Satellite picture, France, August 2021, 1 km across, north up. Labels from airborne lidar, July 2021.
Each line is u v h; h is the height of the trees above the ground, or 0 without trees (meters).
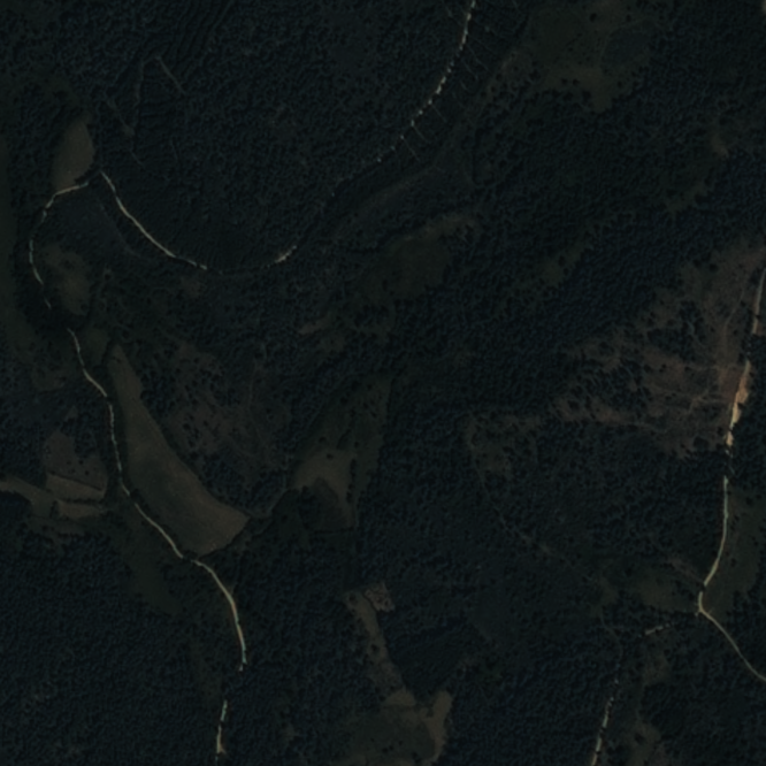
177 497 0
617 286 14
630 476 15
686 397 0
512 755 13
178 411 0
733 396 0
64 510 0
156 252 15
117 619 17
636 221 8
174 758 18
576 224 21
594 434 0
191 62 14
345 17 0
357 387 20
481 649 19
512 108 14
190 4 12
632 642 8
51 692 18
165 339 5
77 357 7
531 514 9
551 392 7
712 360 0
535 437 14
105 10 16
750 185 15
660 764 0
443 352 18
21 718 15
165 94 16
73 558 15
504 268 17
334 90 10
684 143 10
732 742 7
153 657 18
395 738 0
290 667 16
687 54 15
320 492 0
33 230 8
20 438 9
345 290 8
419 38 16
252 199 13
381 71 9
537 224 12
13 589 17
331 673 16
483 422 7
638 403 12
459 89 18
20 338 0
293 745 12
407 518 11
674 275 15
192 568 6
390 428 6
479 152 15
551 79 0
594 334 10
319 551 14
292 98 15
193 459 12
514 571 8
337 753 6
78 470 0
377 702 9
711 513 15
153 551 0
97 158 9
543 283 11
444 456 6
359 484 0
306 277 12
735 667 12
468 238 8
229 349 11
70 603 18
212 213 15
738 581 0
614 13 0
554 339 15
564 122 10
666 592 0
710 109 12
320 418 7
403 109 12
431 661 17
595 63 0
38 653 17
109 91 15
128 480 7
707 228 15
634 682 9
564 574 0
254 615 10
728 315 0
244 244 17
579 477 8
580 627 0
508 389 9
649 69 7
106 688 15
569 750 12
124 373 0
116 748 17
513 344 7
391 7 13
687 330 10
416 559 8
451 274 15
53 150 11
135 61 16
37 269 6
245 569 10
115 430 8
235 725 14
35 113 10
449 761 15
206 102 11
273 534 12
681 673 10
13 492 0
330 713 15
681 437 0
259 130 16
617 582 0
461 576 14
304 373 7
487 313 21
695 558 0
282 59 16
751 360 11
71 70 14
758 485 9
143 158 13
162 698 18
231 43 16
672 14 10
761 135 8
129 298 6
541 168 9
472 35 18
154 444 0
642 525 17
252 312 12
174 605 0
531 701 14
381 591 0
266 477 9
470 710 17
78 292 0
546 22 0
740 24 13
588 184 10
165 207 16
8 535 15
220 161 18
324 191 8
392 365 12
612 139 10
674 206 0
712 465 18
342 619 17
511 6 18
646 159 11
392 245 8
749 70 10
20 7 0
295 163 17
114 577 16
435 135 14
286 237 17
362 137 14
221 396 10
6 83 0
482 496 12
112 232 0
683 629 15
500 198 8
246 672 15
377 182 18
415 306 8
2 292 0
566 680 13
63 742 12
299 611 15
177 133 11
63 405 11
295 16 18
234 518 0
